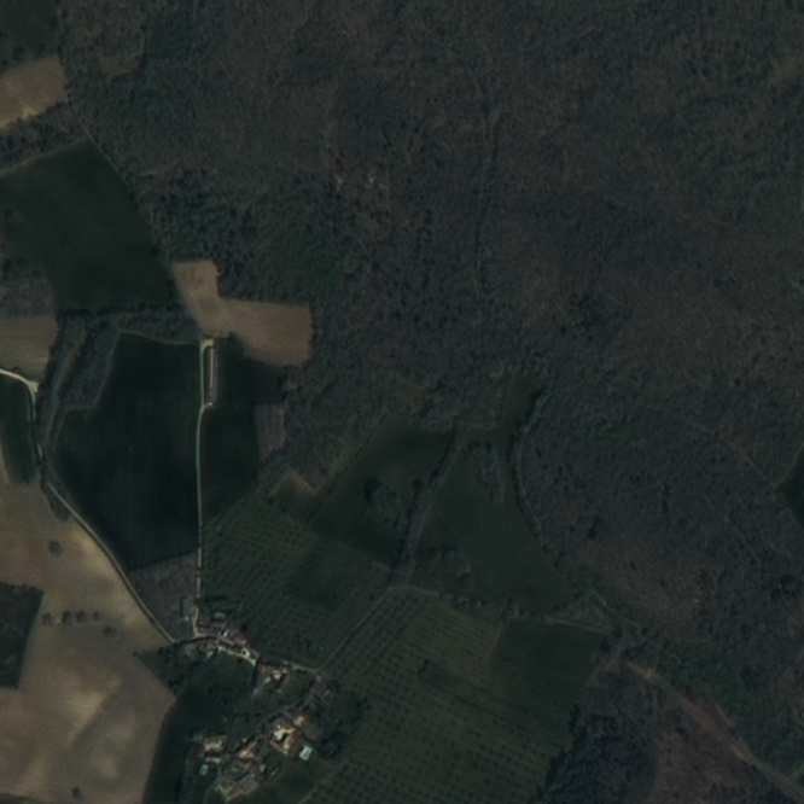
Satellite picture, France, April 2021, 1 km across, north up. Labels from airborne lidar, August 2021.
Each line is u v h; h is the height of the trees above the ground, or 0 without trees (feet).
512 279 42
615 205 28
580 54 38
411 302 21
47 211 0
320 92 46
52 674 0
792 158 37
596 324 37
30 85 0
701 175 29
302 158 57
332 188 33
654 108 37
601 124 39
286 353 0
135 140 47
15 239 0
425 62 41
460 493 0
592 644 0
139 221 0
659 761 31
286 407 35
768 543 17
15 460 0
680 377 68
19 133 41
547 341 27
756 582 30
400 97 28
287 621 19
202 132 52
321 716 20
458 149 18
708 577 51
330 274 51
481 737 29
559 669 0
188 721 0
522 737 26
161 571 37
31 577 0
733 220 44
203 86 51
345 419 81
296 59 27
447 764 27
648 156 43
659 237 42
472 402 63
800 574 23
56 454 0
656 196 46
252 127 44
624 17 38
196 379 0
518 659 0
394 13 19
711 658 38
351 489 0
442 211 25
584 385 30
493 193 25
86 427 0
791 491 0
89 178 0
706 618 45
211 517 0
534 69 42
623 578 34
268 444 39
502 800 23
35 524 0
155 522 0
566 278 26
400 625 28
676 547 53
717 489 28
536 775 19
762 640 53
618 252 39
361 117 39
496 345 41
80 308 0
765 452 29
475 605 35
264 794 0
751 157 27
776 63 63
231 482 0
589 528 31
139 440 0
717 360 46
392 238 22
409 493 0
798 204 47
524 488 33
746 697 61
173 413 0
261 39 45
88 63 40
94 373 59
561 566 57
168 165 34
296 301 56
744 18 48
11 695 0
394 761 26
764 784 65
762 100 33
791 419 48
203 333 28
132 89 67
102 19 55
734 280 48
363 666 19
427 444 0
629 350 52
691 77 46
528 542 0
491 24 36
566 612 29
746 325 41
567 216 25
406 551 42
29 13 0
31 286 34
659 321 39
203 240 35
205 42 43
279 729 0
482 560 0
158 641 0
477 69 46
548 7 49
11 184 0
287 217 32
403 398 0
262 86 38
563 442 37
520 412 0
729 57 25
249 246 32
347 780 24
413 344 44
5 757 0
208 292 0
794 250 40
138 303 0
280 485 67
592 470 26
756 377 28
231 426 0
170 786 0
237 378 0
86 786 0
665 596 27
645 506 26
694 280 43
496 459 54
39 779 0
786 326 49
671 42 22
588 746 67
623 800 35
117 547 0
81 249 0
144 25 43
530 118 43
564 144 28
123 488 0
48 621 37
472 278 48
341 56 27
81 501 0
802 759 20
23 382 0
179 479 0
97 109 42
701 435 22
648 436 29
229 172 44
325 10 24
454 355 37
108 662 0
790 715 42
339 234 51
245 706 0
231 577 23
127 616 0
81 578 0
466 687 0
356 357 45
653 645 39
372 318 31
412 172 18
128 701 0
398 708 31
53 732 0
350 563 0
